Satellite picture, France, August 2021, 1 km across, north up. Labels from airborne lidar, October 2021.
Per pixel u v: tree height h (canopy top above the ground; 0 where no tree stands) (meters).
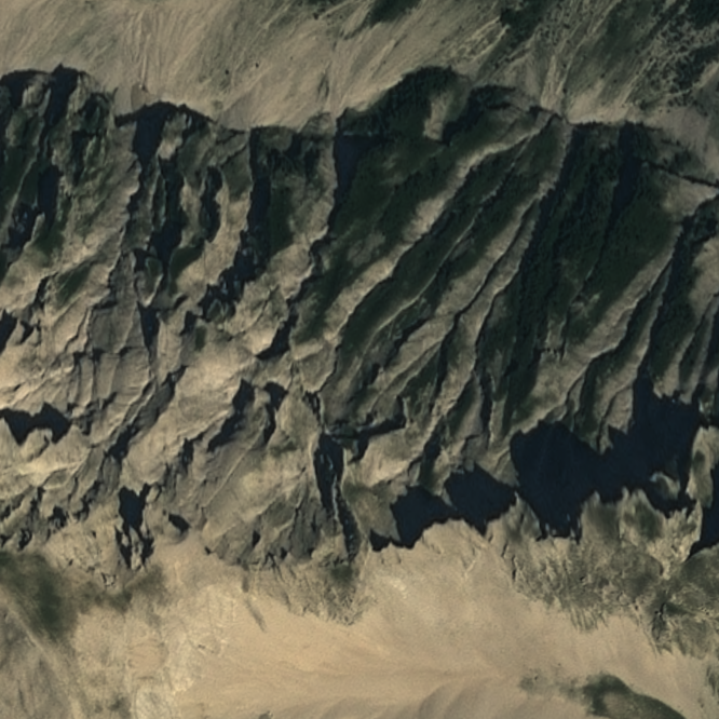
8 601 0
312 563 0
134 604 0
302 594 0
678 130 0
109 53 0
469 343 0
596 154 7
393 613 0
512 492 0
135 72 0
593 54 0
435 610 0
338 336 0
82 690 0
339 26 0
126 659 0
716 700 0
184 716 0
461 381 0
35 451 0
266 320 0
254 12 0
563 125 0
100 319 0
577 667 0
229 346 0
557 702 0
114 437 0
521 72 0
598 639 0
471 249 0
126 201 0
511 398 0
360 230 0
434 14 0
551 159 0
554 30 0
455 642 0
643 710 0
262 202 0
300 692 0
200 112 0
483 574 0
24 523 0
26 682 0
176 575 0
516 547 0
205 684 0
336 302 0
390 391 0
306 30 0
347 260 0
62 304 0
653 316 0
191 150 0
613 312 0
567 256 6
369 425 0
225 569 0
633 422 0
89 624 0
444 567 0
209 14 0
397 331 0
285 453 0
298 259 0
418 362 0
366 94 0
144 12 0
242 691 0
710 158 0
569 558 0
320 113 0
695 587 0
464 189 7
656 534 0
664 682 0
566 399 0
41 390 0
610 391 0
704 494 0
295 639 0
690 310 8
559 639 0
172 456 0
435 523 0
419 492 0
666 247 0
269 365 0
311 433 0
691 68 9
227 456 0
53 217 0
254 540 0
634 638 0
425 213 0
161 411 0
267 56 0
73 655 0
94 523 0
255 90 0
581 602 0
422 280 0
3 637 0
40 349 9
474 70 0
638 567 0
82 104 0
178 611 0
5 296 0
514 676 0
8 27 0
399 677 0
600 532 0
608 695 0
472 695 0
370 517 0
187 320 0
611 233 10
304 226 0
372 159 6
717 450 0
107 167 0
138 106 0
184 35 0
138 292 0
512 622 0
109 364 0
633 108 0
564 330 0
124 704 0
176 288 0
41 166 0
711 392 0
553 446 0
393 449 0
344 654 0
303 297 0
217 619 0
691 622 0
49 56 0
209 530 0
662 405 0
